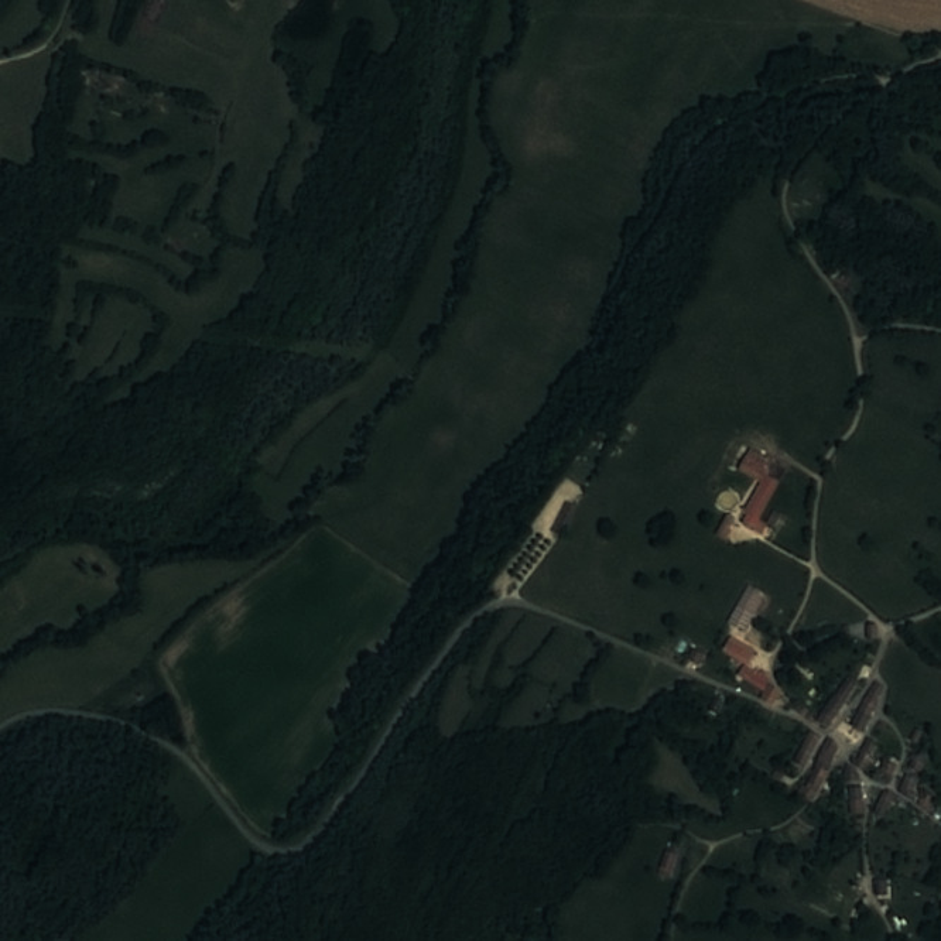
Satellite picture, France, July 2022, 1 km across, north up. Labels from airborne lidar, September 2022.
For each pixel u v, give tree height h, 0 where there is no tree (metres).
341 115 16
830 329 0
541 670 0
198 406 13
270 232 10
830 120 14
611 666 0
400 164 7
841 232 19
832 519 0
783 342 0
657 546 19
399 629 17
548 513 0
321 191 11
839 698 0
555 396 11
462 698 0
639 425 0
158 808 19
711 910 0
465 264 22
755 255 0
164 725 27
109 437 10
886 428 0
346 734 15
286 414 8
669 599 0
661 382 0
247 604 0
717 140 18
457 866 18
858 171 17
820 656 15
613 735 17
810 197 0
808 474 0
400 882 12
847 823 7
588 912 0
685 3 0
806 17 0
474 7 13
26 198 11
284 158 6
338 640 0
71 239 7
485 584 8
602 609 0
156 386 14
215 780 0
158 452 9
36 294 14
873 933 0
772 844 10
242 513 20
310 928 9
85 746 14
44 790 16
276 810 0
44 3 9
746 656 0
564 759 20
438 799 9
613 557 0
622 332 22
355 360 10
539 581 0
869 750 0
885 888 0
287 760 0
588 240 0
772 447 0
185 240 0
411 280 21
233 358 10
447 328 9
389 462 0
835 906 0
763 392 0
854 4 0
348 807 12
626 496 0
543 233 0
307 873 17
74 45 9
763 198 0
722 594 0
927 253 13
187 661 0
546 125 0
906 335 14
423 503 0
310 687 0
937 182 0
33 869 16
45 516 12
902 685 0
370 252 19
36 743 23
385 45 0
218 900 0
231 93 0
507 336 0
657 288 17
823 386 0
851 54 0
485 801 10
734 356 0
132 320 0
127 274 0
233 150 0
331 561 0
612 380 9
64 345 6
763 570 0
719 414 0
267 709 0
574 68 0
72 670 0
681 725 16
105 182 13
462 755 7
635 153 0
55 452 9
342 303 7
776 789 13
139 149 13
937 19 0
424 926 9
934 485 0
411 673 17
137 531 21
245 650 0
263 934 23
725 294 0
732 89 0
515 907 11
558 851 14
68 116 9
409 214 12
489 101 14
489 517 19
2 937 24
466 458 0
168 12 0
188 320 0
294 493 0
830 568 0
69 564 0
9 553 18
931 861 10
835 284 0
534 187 0
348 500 0
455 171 11
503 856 17
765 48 0
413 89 13
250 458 8
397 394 19
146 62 0
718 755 16
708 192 22
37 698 0
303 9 8
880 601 0
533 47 0
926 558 9
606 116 0
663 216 21
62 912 23
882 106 19
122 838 20
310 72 8
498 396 0
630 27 0
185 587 0
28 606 0
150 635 0
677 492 0
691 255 13
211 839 0
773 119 21
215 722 0
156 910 0
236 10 0
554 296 0
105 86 6
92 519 13
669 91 0
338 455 0
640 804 11
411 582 0
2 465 16
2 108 0
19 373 7
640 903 0
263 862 13
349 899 11
